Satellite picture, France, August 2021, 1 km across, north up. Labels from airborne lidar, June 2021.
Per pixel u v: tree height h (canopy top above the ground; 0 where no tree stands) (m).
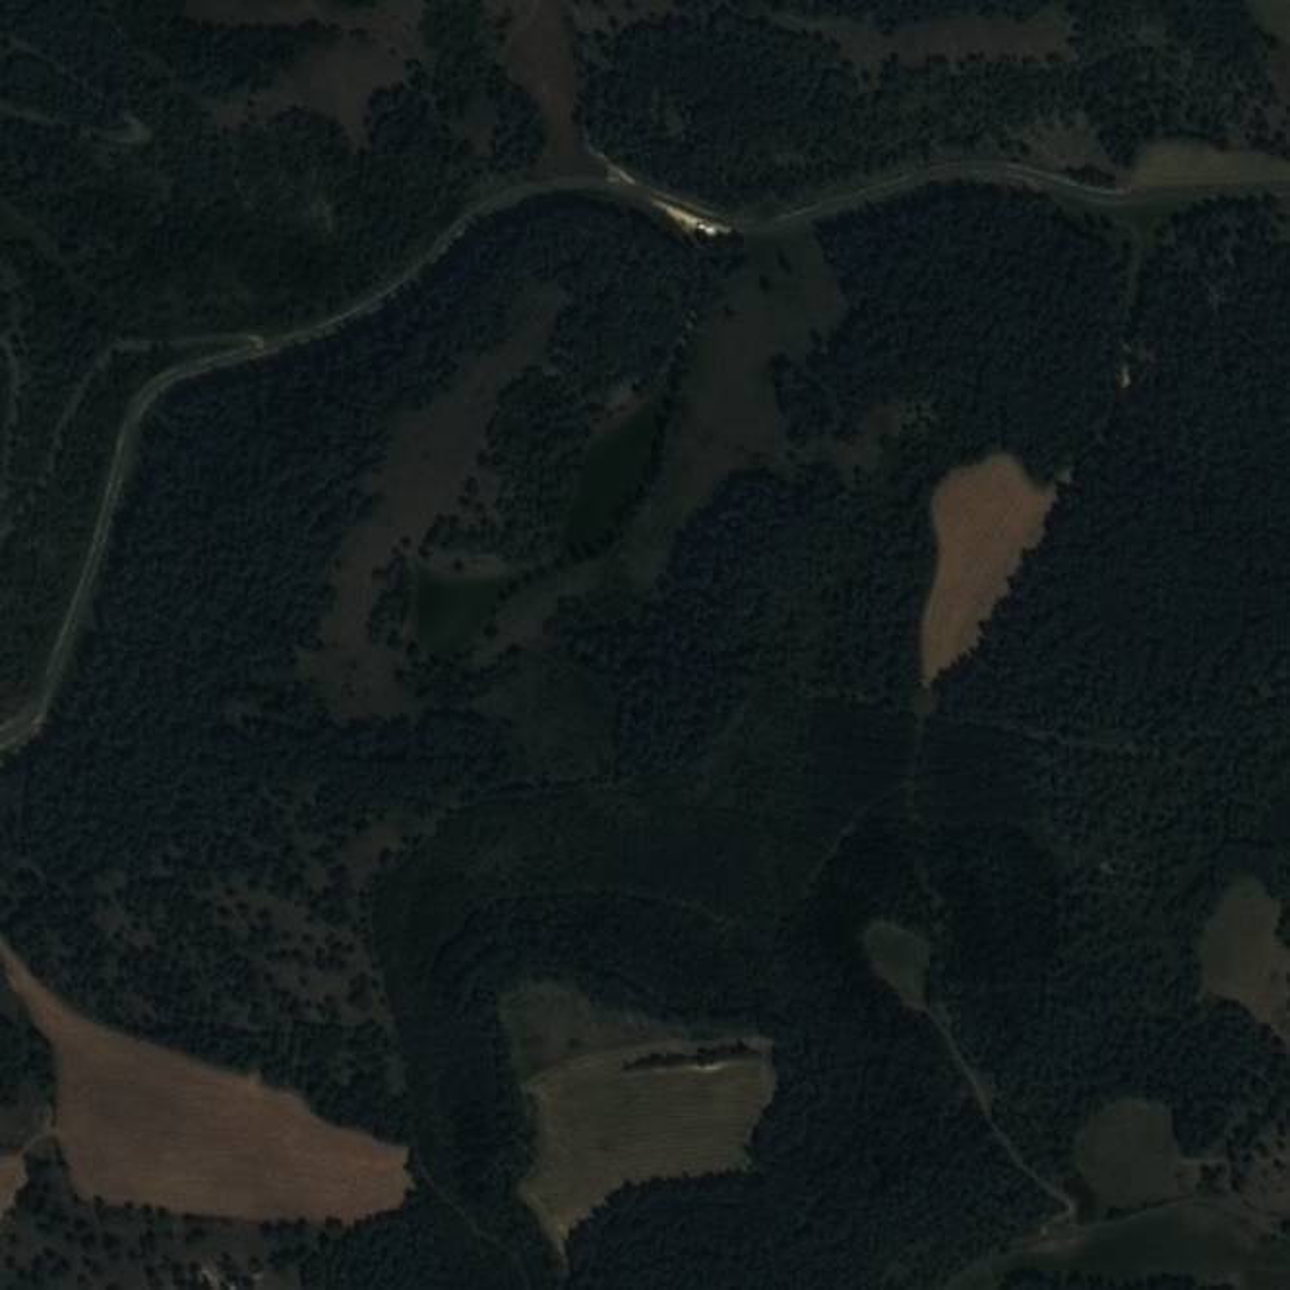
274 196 6
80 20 15
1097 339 15
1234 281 8
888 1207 15
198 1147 0
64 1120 0
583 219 17
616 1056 0
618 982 17
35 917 15
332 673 0
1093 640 13
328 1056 11
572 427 13
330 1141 0
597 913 10
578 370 13
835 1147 11
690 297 12
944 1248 13
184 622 11
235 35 8
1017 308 14
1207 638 19
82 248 12
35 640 17
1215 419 12
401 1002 7
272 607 8
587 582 0
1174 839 16
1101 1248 0
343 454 10
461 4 9
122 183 7
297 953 8
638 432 0
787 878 8
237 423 14
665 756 9
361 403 9
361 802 8
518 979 18
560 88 0
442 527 10
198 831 11
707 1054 9
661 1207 12
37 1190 8
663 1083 0
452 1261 8
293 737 13
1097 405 14
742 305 0
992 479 0
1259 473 16
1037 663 13
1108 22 9
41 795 10
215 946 9
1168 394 16
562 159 0
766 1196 18
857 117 13
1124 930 8
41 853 12
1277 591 18
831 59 9
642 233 14
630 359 16
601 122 13
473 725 13
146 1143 0
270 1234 12
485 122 0
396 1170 0
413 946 7
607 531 0
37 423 10
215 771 11
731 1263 13
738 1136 0
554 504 8
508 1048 20
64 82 13
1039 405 18
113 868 12
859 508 9
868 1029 7
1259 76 12
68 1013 0
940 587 0
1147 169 0
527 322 0
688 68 17
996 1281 0
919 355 13
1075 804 9
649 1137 0
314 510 10
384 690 0
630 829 7
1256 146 9
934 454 17
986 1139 12
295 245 11
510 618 0
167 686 13
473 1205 8
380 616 9
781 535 13
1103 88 14
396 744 11
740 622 14
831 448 0
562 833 6
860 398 10
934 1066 9
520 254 13
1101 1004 14
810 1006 6
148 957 11
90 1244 13
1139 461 14
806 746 8
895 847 13
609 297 12
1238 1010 14
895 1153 7
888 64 7
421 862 7
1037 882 7
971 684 14
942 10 13
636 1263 11
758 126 17
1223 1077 14
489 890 7
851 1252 13
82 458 10
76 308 13
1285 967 0
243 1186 0
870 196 0
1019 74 7
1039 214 13
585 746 0
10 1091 13
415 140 13
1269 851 19
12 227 0
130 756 9
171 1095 0
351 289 12
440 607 0
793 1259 14
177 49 12
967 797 8
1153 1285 9
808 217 0
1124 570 16
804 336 0
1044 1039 16
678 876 9
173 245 13
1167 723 13
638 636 15
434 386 11
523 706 0
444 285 17
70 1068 0
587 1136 0
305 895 9
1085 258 18
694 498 0
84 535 11
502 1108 9
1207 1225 0
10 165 9
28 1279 14
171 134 14
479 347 7
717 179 14
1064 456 17
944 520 0
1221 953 0
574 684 0
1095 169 8
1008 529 0
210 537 11
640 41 15
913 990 0
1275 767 12
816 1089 7
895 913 9
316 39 12
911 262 17
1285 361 10
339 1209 0
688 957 9
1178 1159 0
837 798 8
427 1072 7
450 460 0
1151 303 14
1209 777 14
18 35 9
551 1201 0
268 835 11
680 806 7
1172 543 15
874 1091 7
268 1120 0
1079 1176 8
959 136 11
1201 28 13
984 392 16
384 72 0
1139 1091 17
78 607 0
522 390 7
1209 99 7
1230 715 13
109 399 14
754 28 12
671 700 11
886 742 7
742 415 0
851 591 12
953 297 15
